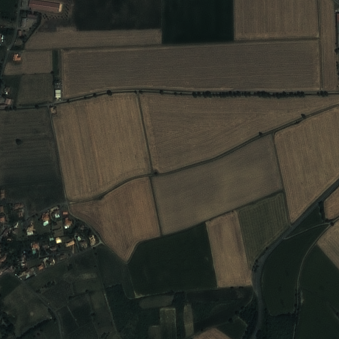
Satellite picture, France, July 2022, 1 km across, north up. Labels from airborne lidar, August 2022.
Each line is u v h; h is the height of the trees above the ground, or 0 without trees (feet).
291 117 0
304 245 0
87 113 0
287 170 0
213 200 0
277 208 0
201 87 0
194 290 0
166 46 0
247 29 0
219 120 0
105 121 0
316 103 0
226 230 0
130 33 0
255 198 0
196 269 0
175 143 0
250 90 0
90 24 0
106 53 0
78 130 0
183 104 0
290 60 0
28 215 0
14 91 0
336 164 0
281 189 0
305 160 0
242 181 0
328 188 0
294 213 0
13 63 0
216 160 0
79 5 0
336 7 0
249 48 0
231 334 0
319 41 0
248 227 0
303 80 0
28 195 0
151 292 0
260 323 0
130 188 0
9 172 0
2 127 0
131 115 0
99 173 0
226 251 0
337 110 0
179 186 0
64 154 0
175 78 0
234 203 0
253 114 0
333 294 0
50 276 0
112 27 0
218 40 0
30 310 0
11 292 0
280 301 0
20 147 0
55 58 0
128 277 0
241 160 0
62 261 0
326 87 0
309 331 0
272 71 0
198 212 0
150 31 0
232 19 0
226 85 0
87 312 0
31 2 0
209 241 0
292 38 0
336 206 0
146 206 0
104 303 0
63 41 0
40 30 0
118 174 0
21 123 0
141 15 0
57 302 0
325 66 0
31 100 0
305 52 0
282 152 0
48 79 0
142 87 0
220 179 0
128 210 0
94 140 0
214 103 0
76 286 0
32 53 0
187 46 0
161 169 0
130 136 0
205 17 0
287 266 0
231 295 0
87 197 0
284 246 0
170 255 0
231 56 0
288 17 0
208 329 0
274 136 0
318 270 0
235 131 0
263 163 0
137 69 0
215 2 0
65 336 0
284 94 38
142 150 0
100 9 0
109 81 0
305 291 0
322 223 0
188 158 0
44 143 0
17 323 0
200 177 0
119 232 0
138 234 0
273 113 0
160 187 0
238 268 0
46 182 0
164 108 0
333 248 0
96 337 0
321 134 0
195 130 0
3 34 22
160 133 0
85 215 0
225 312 0
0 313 26
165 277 0
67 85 0
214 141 0
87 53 0
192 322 0
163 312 0
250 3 0
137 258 0
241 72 0
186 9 0
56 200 0
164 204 0
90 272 0
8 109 27
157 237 0
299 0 0
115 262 0
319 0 0
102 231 0
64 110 0
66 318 0
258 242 0
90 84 0
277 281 0
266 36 0
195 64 0
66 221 0
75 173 0
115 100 0
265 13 0
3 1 0
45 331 0
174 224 0
